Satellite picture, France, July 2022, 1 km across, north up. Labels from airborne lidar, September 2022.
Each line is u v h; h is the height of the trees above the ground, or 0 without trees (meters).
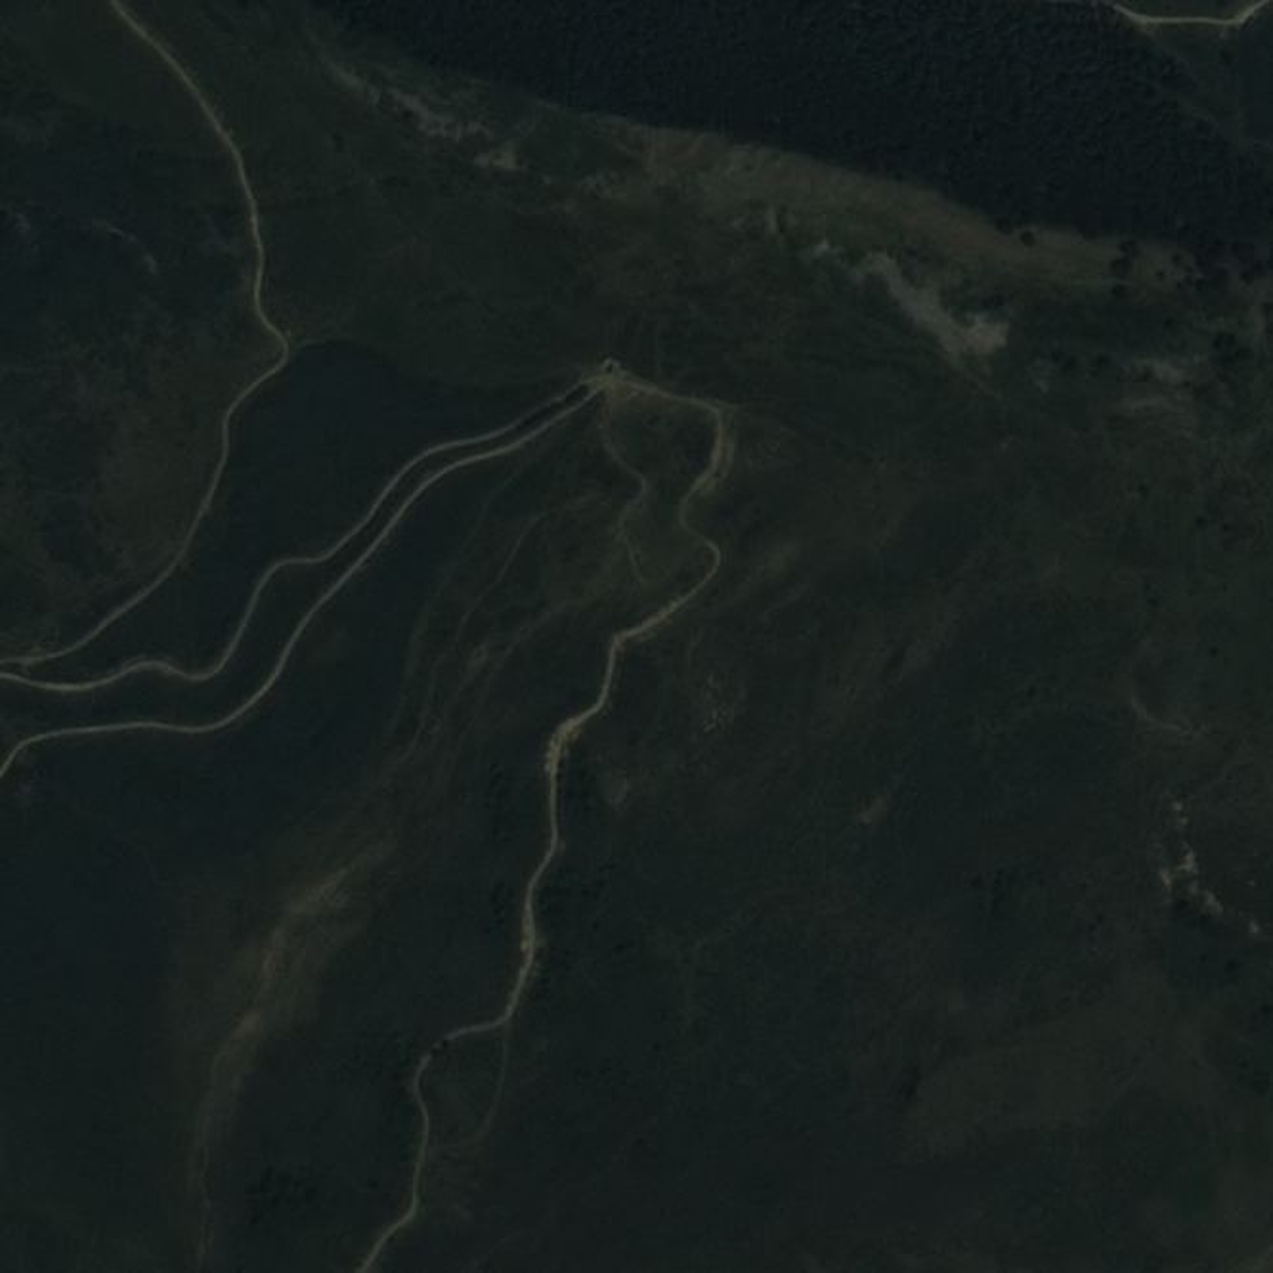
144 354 0
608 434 0
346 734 0
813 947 0
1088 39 20
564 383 0
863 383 0
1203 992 0
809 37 20
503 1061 0
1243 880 0
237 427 0
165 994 0
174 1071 0
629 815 0
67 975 0
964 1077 0
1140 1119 0
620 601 0
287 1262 0
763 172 0
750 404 0
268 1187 14
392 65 0
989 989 0
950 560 0
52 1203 0
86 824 0
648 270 0
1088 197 16
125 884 0
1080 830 0
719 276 0
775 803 0
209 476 0
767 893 0
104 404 0
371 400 0
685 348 0
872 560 0
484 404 0
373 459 0
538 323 0
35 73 0
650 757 0
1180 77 14
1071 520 0
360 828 0
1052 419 0
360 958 0
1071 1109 0
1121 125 22
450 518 0
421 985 0
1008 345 0
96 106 0
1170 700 0
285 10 0
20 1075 0
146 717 0
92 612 0
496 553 0
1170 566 0
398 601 0
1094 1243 0
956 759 0
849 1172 0
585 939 0
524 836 0
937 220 0
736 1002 0
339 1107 0
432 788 0
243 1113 0
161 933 0
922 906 0
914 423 0
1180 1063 0
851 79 20
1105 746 0
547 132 0
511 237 0
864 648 0
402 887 0
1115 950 0
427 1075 0
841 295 0
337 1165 0
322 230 0
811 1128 0
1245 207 13
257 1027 0
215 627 0
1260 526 0
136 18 0
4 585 0
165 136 0
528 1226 0
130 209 0
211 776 0
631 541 0
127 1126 0
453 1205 0
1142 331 0
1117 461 0
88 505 0
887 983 0
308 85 0
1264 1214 0
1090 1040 0
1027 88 19
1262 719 0
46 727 0
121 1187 0
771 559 0
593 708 0
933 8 23
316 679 0
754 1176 0
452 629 0
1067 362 9
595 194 0
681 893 0
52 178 0
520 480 0
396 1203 0
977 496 0
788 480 0
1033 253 0
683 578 0
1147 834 0
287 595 0
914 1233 0
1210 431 0
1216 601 0
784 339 0
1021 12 14
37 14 0
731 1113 0
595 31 20
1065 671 0
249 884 0
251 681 0
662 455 0
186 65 0
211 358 0
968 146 19
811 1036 0
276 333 0
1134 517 0
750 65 20
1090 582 0
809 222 0
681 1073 0
